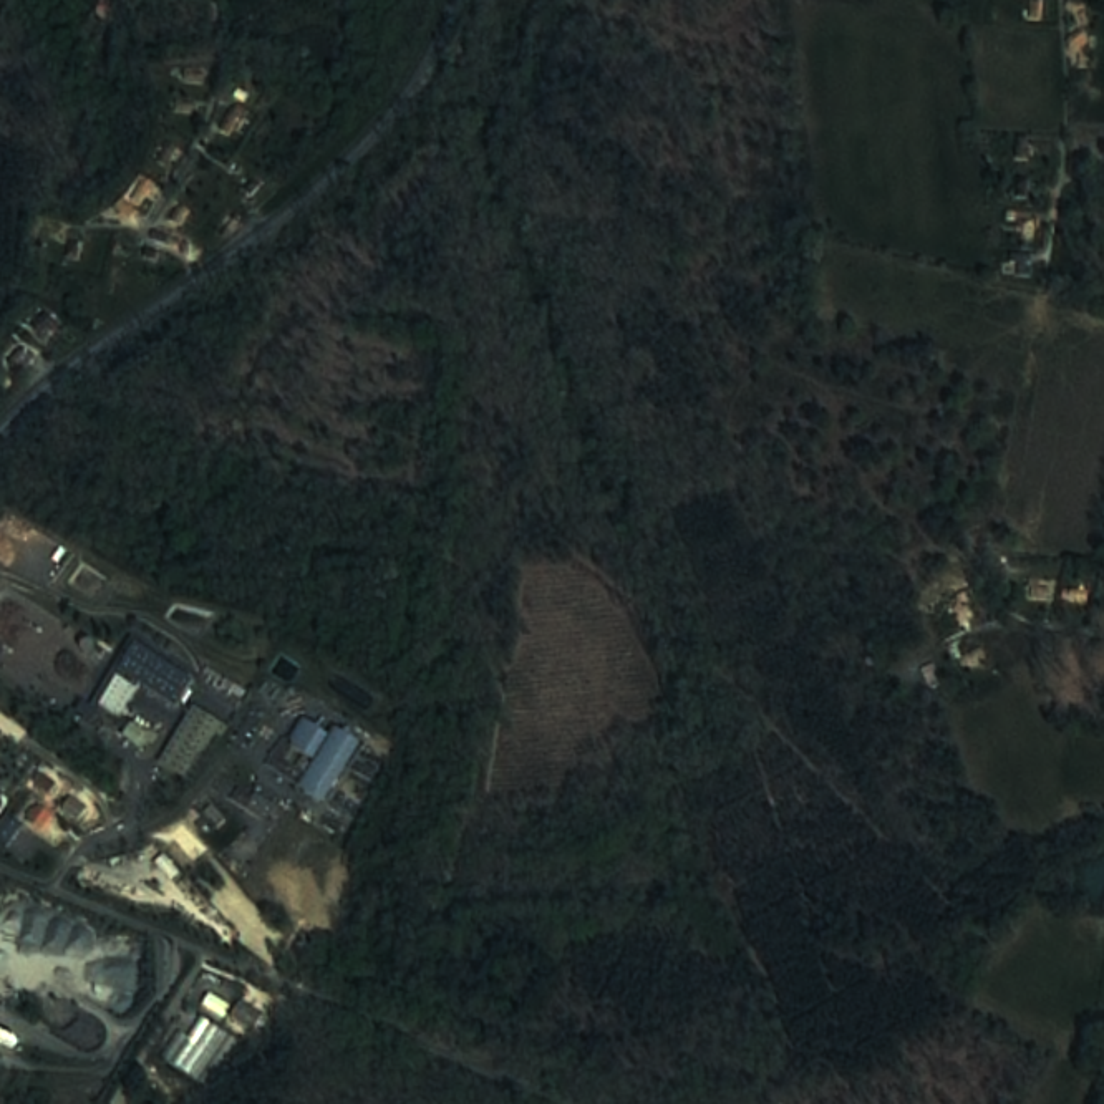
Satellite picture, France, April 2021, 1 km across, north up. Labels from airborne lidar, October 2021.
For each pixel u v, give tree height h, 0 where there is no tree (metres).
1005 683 12
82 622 14
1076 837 19
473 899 17
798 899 12
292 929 19
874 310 0
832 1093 8
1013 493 0
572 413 12
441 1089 22
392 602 26
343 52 13
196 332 17
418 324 14
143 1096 13
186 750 0
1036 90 0
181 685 0
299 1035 19
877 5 0
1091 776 0
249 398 29
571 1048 14
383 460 18
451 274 20
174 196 10
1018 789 0
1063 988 0
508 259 20
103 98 20
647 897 20
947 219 0
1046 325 0
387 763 10
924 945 17
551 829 23
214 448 23
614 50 23
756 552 14
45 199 19
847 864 14
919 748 10
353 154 0
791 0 0
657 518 23
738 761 23
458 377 21
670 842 24
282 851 0
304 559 21
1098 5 11
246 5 7
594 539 27
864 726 16
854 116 0
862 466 22
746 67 19
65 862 0
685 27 15
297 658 0
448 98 23
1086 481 0
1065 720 14
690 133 17
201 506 23
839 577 20
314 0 10
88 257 0
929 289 0
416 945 19
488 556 24
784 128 24
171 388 22
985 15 0
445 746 20
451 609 21
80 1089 0
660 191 14
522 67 26
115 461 22
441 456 20
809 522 20
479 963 21
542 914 28
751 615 17
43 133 20
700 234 15
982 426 16
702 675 29
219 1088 22
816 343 15
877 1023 15
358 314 23
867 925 15
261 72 24
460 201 20
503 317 21
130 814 0
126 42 20
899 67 0
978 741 0
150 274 7
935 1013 17
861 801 14
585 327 23
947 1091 0
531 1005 32
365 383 21
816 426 22
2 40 17
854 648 23
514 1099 21
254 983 12
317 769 0
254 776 0
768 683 19
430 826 14
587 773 16
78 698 8
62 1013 0
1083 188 21
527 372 25
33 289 18
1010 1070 17
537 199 24
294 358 19
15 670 0
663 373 20
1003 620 21
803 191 8
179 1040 0
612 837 26
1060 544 0
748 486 22
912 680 0
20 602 0
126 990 0
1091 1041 24
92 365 14
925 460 16
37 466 16
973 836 16
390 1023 20
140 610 0
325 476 0
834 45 0
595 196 19
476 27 14
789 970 16
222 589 22
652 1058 16
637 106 27
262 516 21
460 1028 22
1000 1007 0
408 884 21
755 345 14
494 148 22
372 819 11
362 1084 20
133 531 23
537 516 22
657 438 21
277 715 0
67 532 17
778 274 16
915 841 18
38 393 0
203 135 15
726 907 10
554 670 0
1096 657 17
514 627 21
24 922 0
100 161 19
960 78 0
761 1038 25
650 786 26
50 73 22
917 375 20
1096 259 21
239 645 9
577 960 16
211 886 10
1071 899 18
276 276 27
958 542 19
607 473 21
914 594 18
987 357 0
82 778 14
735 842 11
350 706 0
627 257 18
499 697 22
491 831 16
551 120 28
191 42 10
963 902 17
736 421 0
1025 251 7
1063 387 0
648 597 24
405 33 25
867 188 0
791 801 12
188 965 0
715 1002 13
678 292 16
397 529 26
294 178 19
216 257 0
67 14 23
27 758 0
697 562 15
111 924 5
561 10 15
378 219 14
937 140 0
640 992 18
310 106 24
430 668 21
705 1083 25
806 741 14
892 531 18
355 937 22
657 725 10
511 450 21
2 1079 15
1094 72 0
